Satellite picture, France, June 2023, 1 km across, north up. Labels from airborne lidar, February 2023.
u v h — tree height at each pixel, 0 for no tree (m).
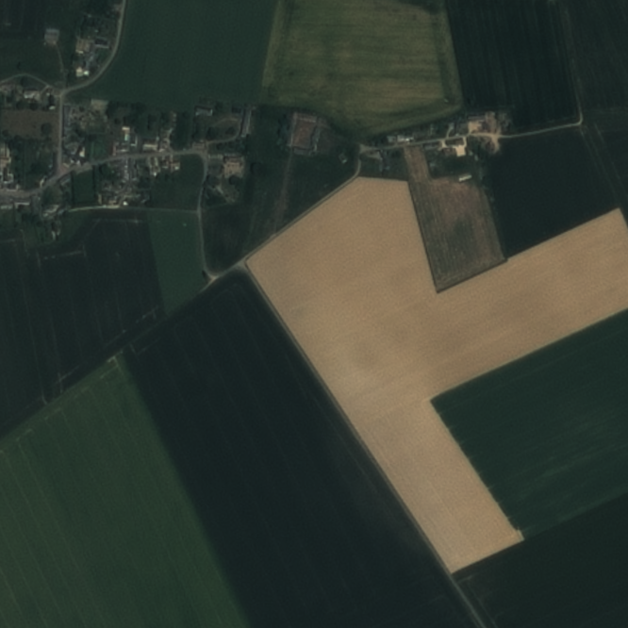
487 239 0
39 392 0
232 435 0
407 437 0
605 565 0
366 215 0
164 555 0
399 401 0
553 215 0
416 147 0
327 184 0
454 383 0
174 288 0
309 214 0
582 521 0
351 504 0
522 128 0
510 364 0
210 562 0
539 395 0
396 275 0
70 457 0
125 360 0
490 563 0
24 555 0
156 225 0
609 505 0
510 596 0
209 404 0
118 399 0
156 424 0
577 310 0
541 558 0
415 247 0
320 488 0
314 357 0
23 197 0
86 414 0
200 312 0
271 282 0
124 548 0
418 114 0
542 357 0
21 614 0
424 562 0
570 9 0
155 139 0
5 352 0
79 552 0
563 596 0
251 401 0
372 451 0
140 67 0
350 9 0
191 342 0
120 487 0
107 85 0
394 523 0
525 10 0
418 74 0
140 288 0
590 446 0
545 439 0
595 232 0
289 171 0
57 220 8
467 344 0
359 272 0
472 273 0
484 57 0
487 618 0
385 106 0
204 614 0
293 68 0
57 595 0
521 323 0
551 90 0
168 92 0
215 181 17
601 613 0
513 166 0
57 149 0
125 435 0
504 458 0
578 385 0
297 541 0
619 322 0
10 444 0
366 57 0
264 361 0
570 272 0
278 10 0
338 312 0
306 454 0
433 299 0
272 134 0
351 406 0
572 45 0
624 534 0
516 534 0
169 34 0
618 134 0
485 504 0
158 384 0
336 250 0
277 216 0
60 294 0
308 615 0
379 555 0
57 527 0
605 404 0
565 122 0
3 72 0
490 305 0
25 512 0
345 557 0
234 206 0
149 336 0
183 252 0
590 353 0
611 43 0
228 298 0
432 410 0
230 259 0
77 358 0
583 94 0
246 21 0
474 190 0
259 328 0
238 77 0
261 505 0
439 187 0
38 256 0
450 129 0
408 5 0
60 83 0
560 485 0
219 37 0
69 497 0
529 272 0
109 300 0
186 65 0
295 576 0
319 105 0
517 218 0
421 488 0
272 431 0
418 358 0
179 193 0
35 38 0
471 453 0
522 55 0
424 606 0
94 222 0
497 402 0
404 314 0
